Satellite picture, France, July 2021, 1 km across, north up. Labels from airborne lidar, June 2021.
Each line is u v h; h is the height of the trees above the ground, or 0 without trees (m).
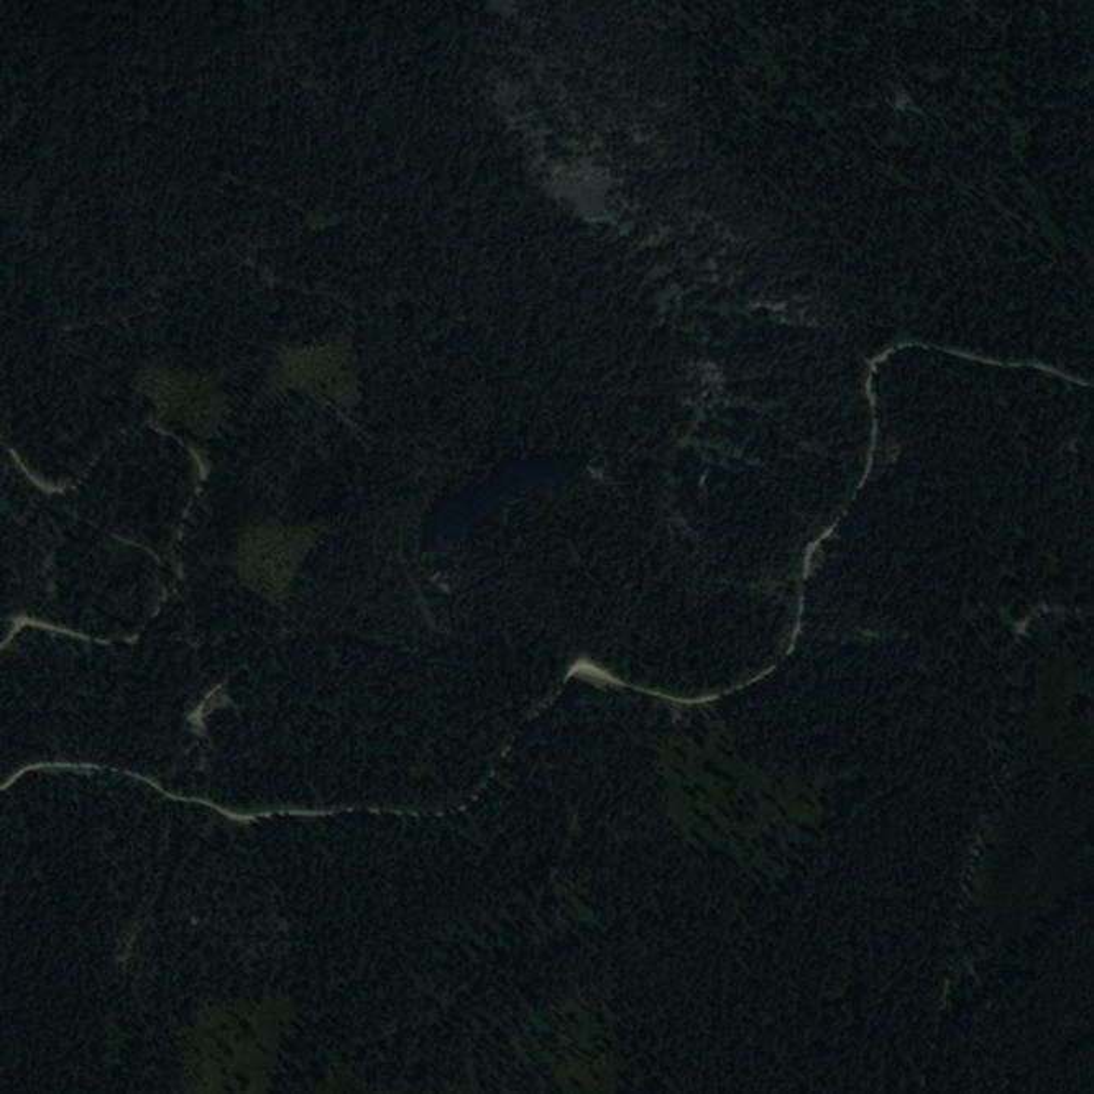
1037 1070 27
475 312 18
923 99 6
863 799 27
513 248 19
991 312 25
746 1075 22
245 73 21
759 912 28
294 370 0
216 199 25
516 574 13
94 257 9
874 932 23
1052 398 26
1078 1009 27
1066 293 12
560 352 14
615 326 18
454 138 18
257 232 23
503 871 23
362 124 26
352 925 24
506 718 17
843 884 30
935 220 8
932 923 11
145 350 16
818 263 15
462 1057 23
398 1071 26
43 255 18
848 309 12
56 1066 28
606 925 27
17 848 16
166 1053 22
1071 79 28
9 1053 20
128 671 7
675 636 23
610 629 15
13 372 23
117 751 6
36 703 16
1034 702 26
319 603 13
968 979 6
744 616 6
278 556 0
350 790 22
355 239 22
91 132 17
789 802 0
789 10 14
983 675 21
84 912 21
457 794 28
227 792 14
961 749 16
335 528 24
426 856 22
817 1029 30
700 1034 23
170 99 22
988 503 23
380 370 21
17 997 13
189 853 19
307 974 23
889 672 15
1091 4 24
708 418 7
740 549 21
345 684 23
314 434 22
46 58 22
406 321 22
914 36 21
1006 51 12
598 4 11
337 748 23
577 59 6
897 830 18
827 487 14
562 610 14
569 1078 0
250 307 22
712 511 16
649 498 20
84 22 30
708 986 28
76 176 13
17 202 7
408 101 22
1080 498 15
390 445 20
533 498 14
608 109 6
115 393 9
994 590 26
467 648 19
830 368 14
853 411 16
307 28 9
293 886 26
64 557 12
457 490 23
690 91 15
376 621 11
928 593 21
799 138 9
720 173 9
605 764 24
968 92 6
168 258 19
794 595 10
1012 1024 29
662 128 9
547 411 18
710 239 9
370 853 28
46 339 31
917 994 23
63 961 24
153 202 22
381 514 13
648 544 15
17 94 27
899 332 7
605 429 16
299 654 24
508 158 15
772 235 6
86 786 16
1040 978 26
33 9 22
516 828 24
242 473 28
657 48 12
